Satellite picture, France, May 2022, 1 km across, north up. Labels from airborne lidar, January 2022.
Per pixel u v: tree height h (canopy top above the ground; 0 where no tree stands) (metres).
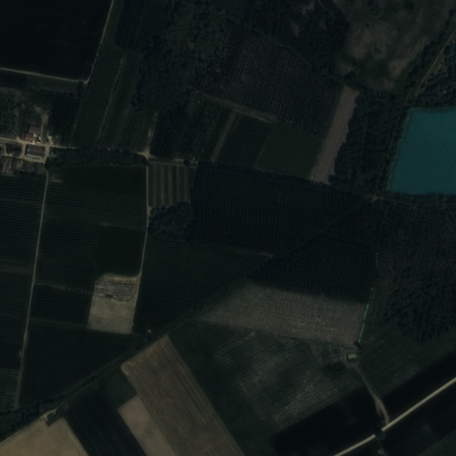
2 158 6
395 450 0
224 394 0
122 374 0
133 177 0
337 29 30
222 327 0
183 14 9
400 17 0
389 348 0
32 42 0
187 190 0
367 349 0
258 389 0
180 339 0
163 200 0
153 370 0
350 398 0
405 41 0
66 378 0
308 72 0
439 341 0
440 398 0
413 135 0
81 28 0
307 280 34
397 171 0
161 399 0
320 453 0
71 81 0
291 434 0
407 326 21
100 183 0
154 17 0
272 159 0
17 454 0
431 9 0
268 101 0
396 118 21
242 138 0
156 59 18
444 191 0
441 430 0
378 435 24
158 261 0
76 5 0
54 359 0
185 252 0
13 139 0
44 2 0
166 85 26
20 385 0
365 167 22
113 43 0
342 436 0
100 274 0
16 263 0
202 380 0
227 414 0
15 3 0
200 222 32
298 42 28
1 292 0
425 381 0
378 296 0
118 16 0
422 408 0
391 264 0
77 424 0
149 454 0
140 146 0
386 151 17
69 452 0
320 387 0
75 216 0
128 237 0
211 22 8
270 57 0
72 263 0
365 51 0
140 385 0
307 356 0
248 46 0
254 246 31
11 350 0
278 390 0
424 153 0
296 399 0
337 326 0
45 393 0
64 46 0
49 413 0
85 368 0
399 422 0
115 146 0
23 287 0
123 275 0
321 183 0
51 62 0
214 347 0
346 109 0
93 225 0
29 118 0
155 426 0
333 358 25
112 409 0
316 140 0
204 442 0
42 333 0
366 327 0
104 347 0
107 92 0
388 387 0
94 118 0
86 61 0
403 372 0
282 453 0
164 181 0
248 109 0
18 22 0
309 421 0
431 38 0
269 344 0
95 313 0
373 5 12
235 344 0
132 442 0
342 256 34
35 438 0
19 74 0
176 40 17
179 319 0
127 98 0
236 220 33
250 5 24
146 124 0
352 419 0
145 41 0
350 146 21
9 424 0
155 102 23
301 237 32
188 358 0
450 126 0
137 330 0
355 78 16
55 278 0
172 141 27
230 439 0
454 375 0
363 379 0
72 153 19
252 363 0
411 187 0
